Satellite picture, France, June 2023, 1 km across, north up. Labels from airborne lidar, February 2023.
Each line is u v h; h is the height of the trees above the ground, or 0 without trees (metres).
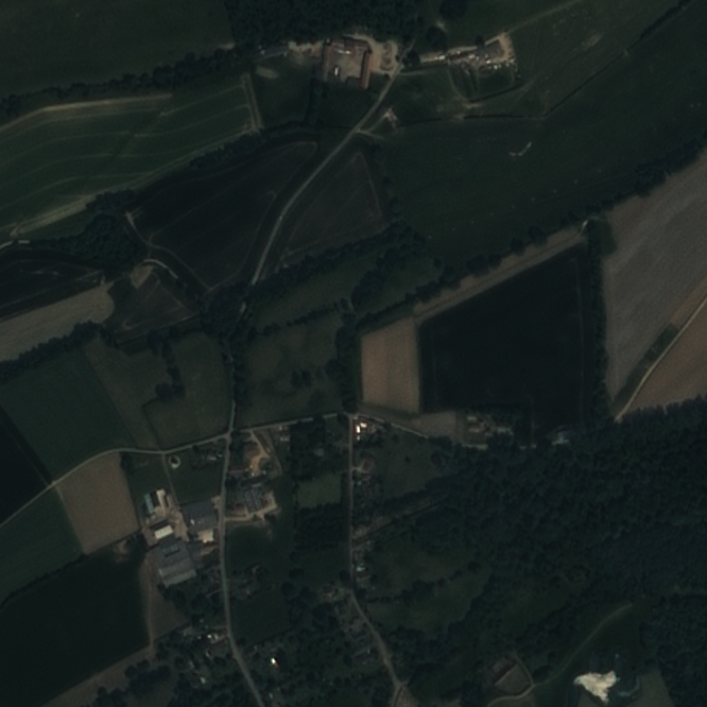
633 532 30
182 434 0
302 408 0
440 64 0
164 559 0
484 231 0
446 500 15
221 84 0
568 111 0
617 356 0
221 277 0
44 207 0
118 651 0
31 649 0
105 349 0
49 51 0
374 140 0
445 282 12
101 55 0
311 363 0
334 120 0
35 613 0
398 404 0
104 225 15
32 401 0
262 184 0
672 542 26
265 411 0
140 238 0
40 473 0
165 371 0
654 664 12
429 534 18
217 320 24
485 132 0
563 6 0
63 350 11
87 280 0
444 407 0
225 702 16
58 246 11
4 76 0
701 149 15
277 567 0
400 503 11
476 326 0
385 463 0
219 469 0
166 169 0
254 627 0
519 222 0
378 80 0
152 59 0
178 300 0
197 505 0
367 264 0
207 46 0
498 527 30
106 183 0
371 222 0
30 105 0
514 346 0
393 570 0
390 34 16
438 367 0
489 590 18
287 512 0
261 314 0
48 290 0
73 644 0
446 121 0
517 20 0
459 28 0
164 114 0
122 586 0
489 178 0
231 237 0
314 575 0
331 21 15
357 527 12
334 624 19
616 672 0
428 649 18
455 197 0
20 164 0
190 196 0
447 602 0
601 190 0
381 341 0
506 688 0
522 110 0
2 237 0
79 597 0
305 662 15
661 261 0
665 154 0
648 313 0
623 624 0
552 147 0
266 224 0
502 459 25
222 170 0
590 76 0
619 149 0
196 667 12
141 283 0
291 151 0
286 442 0
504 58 0
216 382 0
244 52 15
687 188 0
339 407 0
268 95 0
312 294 0
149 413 0
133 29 0
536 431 0
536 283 0
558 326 0
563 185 0
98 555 0
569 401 0
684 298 0
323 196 0
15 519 0
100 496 0
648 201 0
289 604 10
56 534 0
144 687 24
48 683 0
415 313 0
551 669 6
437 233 0
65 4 0
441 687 0
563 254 0
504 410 15
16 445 0
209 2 0
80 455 0
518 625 0
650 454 9
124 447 0
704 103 0
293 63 0
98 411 0
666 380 0
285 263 0
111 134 0
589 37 0
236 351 12
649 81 0
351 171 0
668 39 0
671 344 0
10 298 0
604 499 19
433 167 0
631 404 0
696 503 24
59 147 0
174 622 0
